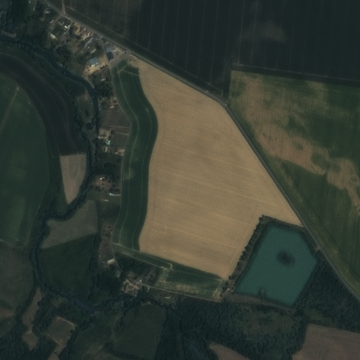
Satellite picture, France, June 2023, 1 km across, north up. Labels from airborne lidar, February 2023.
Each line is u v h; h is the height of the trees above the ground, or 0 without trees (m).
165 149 0
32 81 0
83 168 0
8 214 0
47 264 0
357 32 0
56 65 0
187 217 0
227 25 0
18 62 0
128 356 9
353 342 0
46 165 0
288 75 0
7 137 0
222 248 0
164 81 0
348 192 0
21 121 0
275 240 0
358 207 0
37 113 0
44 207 0
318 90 0
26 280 0
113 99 0
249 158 0
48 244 0
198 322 10
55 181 0
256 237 13
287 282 0
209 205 0
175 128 0
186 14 0
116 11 0
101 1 0
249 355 12
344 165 0
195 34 0
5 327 0
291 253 0
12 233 0
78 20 0
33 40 12
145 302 14
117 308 22
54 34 10
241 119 0
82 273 0
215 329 9
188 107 0
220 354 0
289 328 0
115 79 0
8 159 0
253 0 0
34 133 0
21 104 0
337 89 0
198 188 0
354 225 0
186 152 0
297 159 0
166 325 14
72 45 0
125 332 16
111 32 0
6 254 0
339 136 0
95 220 0
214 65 0
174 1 0
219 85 0
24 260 0
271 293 0
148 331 0
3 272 0
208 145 0
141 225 0
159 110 0
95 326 0
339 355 0
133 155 0
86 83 0
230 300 0
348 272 0
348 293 11
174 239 0
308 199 0
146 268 10
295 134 0
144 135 0
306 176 0
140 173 0
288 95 0
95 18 0
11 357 19
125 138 0
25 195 0
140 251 0
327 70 0
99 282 19
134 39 0
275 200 0
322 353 0
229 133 0
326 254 0
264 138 0
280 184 0
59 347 0
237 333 8
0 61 0
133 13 0
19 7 14
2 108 0
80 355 0
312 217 0
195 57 0
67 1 0
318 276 25
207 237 0
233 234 0
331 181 0
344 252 0
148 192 0
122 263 13
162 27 0
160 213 0
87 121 0
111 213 0
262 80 0
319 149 0
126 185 0
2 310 0
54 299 29
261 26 0
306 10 0
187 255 0
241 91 0
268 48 0
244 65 0
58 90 0
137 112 0
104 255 0
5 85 0
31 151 0
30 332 0
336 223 0
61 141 0
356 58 0
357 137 0
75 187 0
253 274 0
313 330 0
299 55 0
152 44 0
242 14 0
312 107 0
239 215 0
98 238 8
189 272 0
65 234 0
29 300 6
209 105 0
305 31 0
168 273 0
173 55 0
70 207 7
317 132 0
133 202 0
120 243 0
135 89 0
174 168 0
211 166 0
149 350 0
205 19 0
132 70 0
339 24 0
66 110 0
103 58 0
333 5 0
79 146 0
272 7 0
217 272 0
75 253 0
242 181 0
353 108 0
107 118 0
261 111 0
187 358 12
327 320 0
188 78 0
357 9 0
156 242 0
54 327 0
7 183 0
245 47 0
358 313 11
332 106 0
